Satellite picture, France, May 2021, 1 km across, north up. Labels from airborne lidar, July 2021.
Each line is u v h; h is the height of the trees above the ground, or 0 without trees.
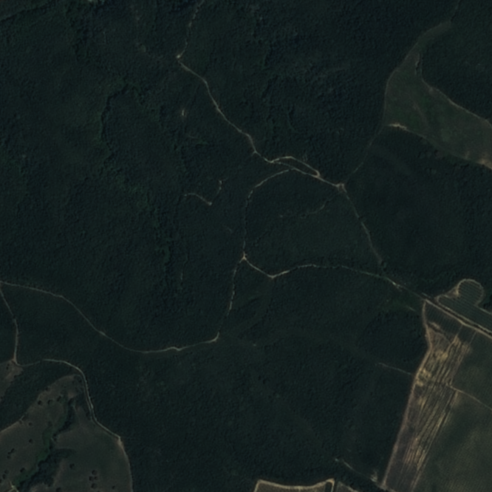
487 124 0
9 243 11
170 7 17
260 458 10
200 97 7
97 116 13
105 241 10
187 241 7
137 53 8
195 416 12
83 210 9
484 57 6
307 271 9
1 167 9
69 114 7
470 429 0
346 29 11
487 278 9
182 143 13
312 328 6
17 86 13
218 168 8
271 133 5
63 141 9
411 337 8
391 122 0
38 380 8
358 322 6
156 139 8
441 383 0
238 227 6
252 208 7
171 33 6
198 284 7
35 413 0
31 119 6
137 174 10
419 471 0
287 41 12
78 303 6
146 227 12
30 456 0
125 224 13
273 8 10
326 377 9
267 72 11
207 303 6
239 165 10
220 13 10
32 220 11
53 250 11
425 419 0
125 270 10
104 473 0
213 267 10
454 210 9
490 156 0
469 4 9
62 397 8
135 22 6
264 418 8
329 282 7
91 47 9
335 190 7
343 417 10
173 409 10
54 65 13
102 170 12
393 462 0
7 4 16
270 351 10
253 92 16
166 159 5
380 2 13
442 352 0
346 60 7
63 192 9
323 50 7
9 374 0
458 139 0
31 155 6
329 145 6
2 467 0
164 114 13
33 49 9
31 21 9
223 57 12
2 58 6
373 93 7
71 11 16
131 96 9
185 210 8
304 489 0
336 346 7
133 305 9
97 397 6
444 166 5
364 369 6
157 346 7
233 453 9
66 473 0
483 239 6
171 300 12
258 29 16
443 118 0
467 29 6
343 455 7
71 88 12
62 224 14
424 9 8
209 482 10
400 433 0
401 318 7
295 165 7
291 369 8
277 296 7
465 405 0
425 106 0
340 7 20
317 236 6
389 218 5
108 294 12
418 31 7
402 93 0
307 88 12
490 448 0
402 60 7
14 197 9
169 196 10
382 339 6
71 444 0
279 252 7
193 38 8
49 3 9
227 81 10
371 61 8
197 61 8
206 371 6
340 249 8
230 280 8
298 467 7
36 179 8
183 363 6
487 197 6
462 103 8
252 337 8
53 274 7
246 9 8
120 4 10
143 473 6
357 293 6
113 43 6
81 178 14
